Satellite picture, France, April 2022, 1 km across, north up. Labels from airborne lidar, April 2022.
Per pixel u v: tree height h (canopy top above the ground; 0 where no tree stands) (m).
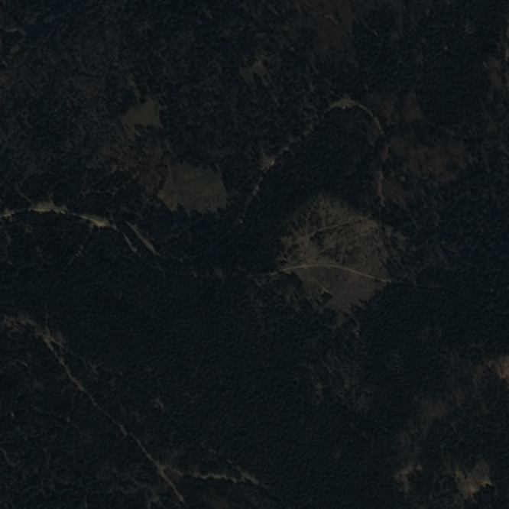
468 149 14
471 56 18
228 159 23
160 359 23
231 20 36
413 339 13
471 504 18
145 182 8
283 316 28
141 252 18
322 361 24
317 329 23
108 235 17
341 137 18
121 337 21
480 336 17
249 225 14
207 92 30
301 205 22
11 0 22
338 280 0
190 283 21
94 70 24
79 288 18
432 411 16
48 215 10
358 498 17
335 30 11
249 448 20
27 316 22
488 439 14
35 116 13
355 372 22
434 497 14
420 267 27
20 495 12
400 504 18
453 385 15
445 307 13
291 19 11
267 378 24
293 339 22
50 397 18
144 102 13
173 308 25
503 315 23
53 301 21
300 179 10
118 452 23
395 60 17
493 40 18
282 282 7
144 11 32
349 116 13
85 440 19
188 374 27
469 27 27
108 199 13
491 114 16
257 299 15
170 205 0
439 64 14
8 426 8
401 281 10
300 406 23
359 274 0
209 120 29
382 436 13
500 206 17
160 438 15
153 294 20
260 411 19
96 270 18
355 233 0
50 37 29
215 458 18
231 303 24
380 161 16
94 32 38
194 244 12
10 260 11
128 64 30
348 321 10
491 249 38
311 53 10
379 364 15
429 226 23
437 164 15
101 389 20
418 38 21
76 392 14
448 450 18
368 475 20
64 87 33
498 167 24
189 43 27
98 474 19
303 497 27
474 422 17
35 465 29
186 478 15
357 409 10
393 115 14
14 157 24
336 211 0
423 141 13
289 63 28
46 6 32
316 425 22
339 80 19
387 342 14
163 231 23
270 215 20
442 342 16
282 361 22
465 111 15
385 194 13
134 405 22
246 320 19
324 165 24
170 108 34
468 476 19
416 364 14
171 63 30
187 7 29
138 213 6
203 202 0
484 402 15
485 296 18
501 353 19
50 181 11
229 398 23
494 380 16
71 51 29
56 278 17
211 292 21
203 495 12
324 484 29
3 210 7
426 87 25
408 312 14
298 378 12
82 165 28
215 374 15
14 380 15
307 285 0
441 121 18
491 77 17
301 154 14
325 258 0
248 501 14
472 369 15
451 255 19
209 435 22
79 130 27
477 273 12
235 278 19
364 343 10
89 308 17
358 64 9
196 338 21
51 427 10
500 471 22
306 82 30
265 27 10
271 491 21
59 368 15
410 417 17
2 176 8
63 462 30
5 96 32
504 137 12
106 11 33
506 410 20
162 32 32
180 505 14
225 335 22
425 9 20
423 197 11
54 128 24
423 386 20
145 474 26
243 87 26
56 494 9
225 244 20
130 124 0
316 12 10
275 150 10
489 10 27
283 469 20
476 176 38
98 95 26
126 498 17
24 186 7
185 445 17
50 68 33
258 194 10
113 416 20
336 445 24
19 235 8
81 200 10
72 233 13
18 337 9
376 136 16
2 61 8
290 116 15
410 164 16
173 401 24
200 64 30
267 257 13
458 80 19
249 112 13
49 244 6
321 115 11
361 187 15
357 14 12
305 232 0
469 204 38
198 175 0
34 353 8
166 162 8
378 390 10
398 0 18
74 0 31
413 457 19
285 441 20
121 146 30
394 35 19
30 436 8
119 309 21
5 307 15
